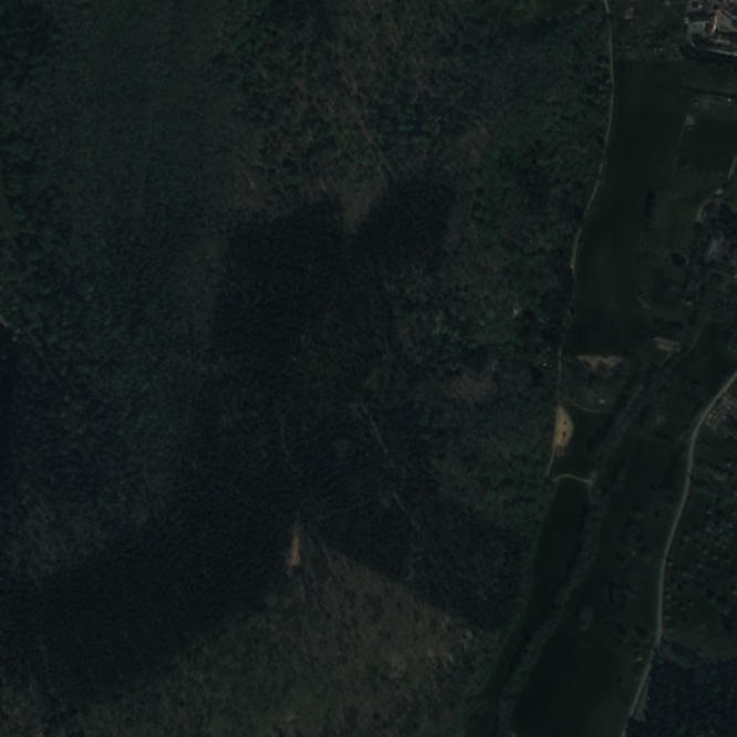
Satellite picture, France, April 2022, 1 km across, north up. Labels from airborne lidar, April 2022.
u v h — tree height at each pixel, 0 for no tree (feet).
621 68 0
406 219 76
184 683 51
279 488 90
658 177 0
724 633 0
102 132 60
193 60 61
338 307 93
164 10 71
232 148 54
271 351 91
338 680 79
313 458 95
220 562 83
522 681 65
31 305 115
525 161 49
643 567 0
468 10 112
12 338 59
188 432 69
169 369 57
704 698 81
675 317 0
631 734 33
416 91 95
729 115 0
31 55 73
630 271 0
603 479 23
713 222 60
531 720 0
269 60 19
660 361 0
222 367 85
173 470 77
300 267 86
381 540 79
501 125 95
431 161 77
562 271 96
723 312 36
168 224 56
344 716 77
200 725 74
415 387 67
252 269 78
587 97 36
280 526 95
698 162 0
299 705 60
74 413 118
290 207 73
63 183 79
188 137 58
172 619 89
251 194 62
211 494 89
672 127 0
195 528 82
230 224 53
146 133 52
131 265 67
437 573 89
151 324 60
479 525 99
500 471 92
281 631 71
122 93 56
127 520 79
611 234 0
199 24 63
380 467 83
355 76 95
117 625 88
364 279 75
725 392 0
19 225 45
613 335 0
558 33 62
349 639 93
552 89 72
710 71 0
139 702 47
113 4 61
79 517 87
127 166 56
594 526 75
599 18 58
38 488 91
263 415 94
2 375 70
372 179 73
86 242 59
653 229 0
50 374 108
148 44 66
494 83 93
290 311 85
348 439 80
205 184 42
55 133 60
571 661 0
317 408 68
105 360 65
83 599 84
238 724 69
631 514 0
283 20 75
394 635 82
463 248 62
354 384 93
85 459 112
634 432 0
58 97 55
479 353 115
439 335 73
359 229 60
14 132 54
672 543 0
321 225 89
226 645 78
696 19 0
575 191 27
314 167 91
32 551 52
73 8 74
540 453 57
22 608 90
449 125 91
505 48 94
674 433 0
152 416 74
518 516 86
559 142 61
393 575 69
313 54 42
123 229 66
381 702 91
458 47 105
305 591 81
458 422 79
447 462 99
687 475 0
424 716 93
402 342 90
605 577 0
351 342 75
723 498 56
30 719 86
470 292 58
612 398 0
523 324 23
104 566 84
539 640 66
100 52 61
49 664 87
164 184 49
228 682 76
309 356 97
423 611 89
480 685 73
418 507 111
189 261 58
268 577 89
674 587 24
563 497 0
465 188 72
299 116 88
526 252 62
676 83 0
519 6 56
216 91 51
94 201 65
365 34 97
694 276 30
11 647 81
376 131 84
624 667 0
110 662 80
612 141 0
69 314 95
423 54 92
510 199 63
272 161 74
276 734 45
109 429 59
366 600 83
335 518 80
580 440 0
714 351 0
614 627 0
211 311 55
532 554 52
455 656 73
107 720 66
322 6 84
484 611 91
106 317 67
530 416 93
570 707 0
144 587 79
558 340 90
